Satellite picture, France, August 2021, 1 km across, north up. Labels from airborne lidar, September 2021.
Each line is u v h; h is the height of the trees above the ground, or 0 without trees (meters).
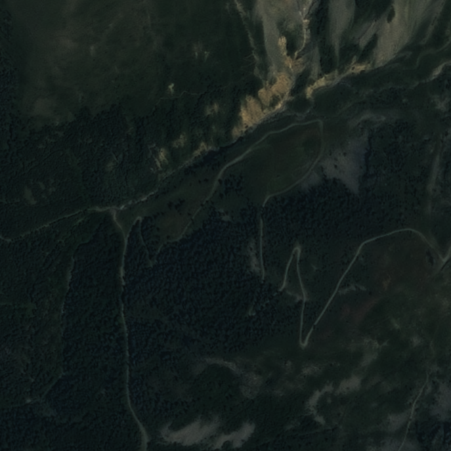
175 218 0
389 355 0
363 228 6
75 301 8
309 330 0
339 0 0
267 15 0
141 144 15
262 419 13
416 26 0
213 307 11
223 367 5
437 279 0
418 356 0
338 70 0
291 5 0
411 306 0
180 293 11
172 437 0
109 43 0
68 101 0
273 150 0
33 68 0
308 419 9
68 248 12
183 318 15
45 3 0
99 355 16
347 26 0
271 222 8
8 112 14
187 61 0
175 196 0
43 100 0
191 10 0
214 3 0
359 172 0
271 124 0
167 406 18
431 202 0
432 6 0
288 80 0
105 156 18
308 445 6
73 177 15
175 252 15
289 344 0
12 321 16
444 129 0
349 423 0
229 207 0
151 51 0
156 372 6
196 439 0
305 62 0
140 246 15
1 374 19
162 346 7
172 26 0
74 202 14
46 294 12
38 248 24
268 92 0
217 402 9
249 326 7
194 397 7
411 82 0
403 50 0
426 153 0
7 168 16
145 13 0
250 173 0
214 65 0
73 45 0
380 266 0
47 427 19
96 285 12
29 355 14
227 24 0
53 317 7
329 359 0
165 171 8
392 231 0
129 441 7
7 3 0
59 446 13
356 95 0
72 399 10
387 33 0
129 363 6
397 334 0
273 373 0
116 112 10
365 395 0
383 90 0
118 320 25
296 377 0
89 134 8
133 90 0
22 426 12
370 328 0
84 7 0
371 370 0
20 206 8
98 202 13
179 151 9
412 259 0
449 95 0
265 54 0
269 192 0
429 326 0
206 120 6
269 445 10
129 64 0
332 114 0
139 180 7
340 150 0
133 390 17
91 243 15
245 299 8
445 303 0
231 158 0
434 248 0
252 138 0
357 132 0
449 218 0
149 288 28
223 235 14
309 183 0
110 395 9
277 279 0
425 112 0
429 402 0
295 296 0
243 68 0
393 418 0
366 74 0
